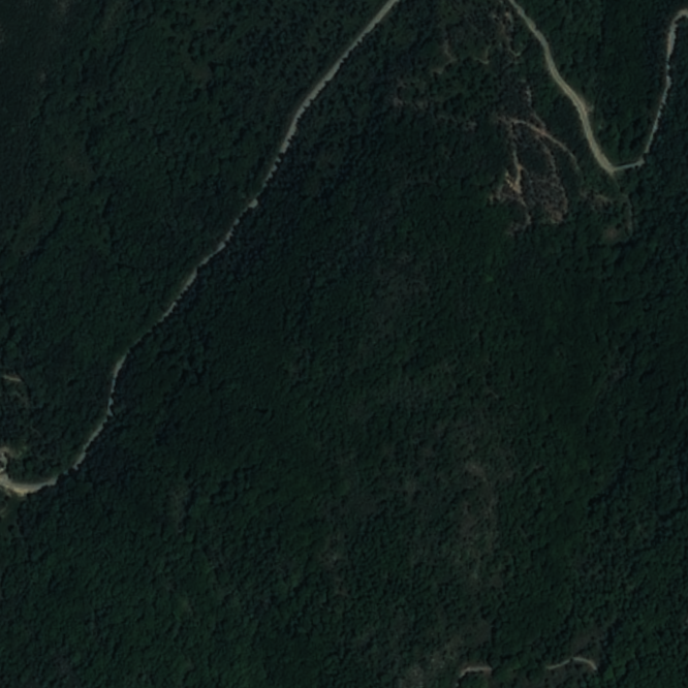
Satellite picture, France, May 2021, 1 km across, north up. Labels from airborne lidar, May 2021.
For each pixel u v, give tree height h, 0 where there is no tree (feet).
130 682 46
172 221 56
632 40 99
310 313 71
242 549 20
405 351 36
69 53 80
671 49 0
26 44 33
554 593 107
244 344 91
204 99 67
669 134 66
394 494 20
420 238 55
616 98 96
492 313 66
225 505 48
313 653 73
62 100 55
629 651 93
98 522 73
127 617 38
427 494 22
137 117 57
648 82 56
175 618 60
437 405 38
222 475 61
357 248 27
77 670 44
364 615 35
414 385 20
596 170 29
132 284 65
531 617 100
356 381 43
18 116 38
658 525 27
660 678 71
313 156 41
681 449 32
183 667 44
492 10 40
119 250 57
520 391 56
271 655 75
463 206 81
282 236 41
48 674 49
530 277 76
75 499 48
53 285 72
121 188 56
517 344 58
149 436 73
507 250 81
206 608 53
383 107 48
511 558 59
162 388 71
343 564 35
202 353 91
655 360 85
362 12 32
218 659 66
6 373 32
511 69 54
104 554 42
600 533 50
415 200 71
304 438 68
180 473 67
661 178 33
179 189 67
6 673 42
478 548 25
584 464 80
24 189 33
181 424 65
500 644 48
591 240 69
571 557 60
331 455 29
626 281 85
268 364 88
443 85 45
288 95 21
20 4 20
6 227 26
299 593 67
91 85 69
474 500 31
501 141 63
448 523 30
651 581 92
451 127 50
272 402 91
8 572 37
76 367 47
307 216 83
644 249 82
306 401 47
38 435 48
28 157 31
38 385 77
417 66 49
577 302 77
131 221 63
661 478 45
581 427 49
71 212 55
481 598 34
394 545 29
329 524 49
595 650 29
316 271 53
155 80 54
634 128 47
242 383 103
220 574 66
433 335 44
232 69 42
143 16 51
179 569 62
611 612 69
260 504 54
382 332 22
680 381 66
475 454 31
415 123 53
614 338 92
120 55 43
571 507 105
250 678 54
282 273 79
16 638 44
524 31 34
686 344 79
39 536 59
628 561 37
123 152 68
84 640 51
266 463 64
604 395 30
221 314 74
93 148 62
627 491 59
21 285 56
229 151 82
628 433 59
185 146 78
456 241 56
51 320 60
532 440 66
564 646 46
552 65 0
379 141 52
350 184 61
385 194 28
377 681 25
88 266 53
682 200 77
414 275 25
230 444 92
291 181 17
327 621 57
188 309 39
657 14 45
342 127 40
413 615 41
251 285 70
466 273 44
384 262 23
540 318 98
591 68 49
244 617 39
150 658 56
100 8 55
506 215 81
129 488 76
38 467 46
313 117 20
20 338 59
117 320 73
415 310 34
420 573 49
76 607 70
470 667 0
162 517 47
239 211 52
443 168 40
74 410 50
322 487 47
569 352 107
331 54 26
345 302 57
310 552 31
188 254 55
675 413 79
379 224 18
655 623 93
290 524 66
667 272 80
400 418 51
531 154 49
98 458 44
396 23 47
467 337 47
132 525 94
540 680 23
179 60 45
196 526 41
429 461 22
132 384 49
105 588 51
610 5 86
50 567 68
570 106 45
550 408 63
